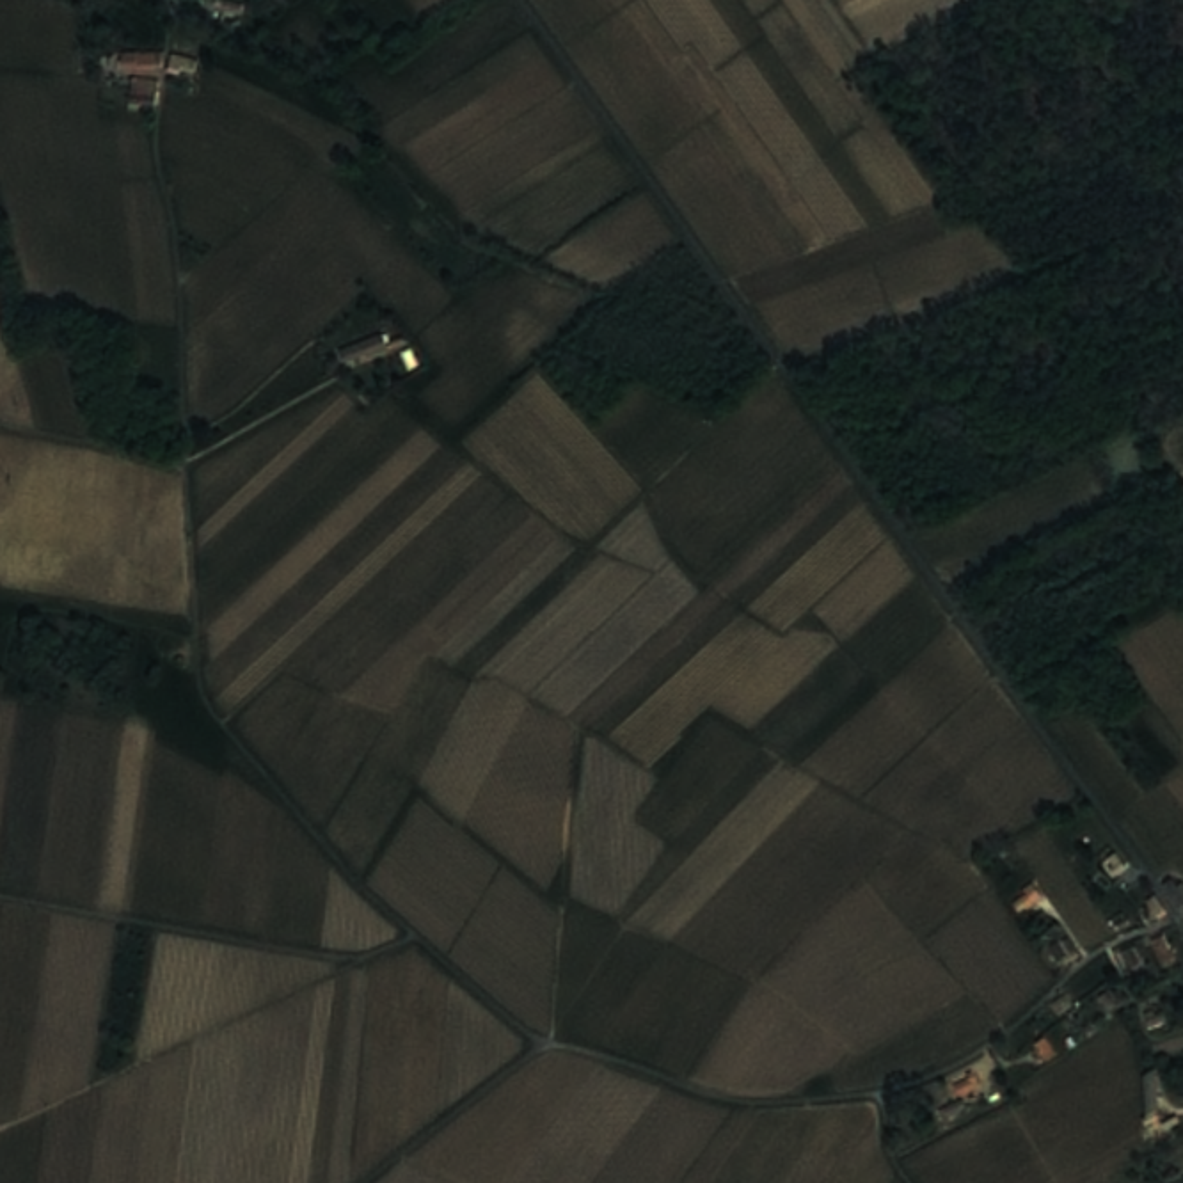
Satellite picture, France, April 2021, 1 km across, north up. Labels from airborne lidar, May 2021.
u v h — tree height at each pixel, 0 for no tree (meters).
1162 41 22
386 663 0
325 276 0
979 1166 0
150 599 0
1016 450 11
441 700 0
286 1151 0
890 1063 0
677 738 0
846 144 0
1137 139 19
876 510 0
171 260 0
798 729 0
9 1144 0
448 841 0
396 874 0
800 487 0
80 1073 0
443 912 0
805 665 0
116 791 0
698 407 8
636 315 12
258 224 0
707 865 0
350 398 0
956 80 17
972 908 0
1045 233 24
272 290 0
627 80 0
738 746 0
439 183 0
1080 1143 0
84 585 0
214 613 0
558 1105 0
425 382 0
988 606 16
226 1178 0
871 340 17
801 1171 0
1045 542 18
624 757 0
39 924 0
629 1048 0
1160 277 10
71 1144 0
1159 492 19
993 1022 0
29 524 0
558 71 0
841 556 0
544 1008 0
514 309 0
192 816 0
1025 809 0
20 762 0
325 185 0
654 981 0
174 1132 0
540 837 0
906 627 0
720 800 0
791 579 0
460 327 0
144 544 0
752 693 0
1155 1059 11
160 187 0
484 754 0
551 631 0
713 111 0
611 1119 0
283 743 0
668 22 0
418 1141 0
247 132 0
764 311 0
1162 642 0
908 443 9
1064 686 18
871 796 0
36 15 0
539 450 0
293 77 21
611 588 0
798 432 0
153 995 0
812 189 0
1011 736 0
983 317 24
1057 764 0
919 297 0
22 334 20
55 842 0
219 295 0
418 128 0
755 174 0
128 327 15
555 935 0
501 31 0
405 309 0
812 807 0
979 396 24
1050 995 0
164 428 16
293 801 0
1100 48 18
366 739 0
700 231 0
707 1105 0
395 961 0
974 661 0
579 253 0
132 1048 9
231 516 0
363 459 0
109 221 0
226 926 0
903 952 0
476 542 0
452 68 0
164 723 0
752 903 0
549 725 0
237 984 0
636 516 0
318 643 0
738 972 0
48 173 0
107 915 0
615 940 0
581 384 13
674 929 0
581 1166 0
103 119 0
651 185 0
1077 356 21
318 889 0
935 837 0
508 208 0
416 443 0
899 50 11
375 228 0
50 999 0
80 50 14
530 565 0
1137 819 0
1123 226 26
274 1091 0
